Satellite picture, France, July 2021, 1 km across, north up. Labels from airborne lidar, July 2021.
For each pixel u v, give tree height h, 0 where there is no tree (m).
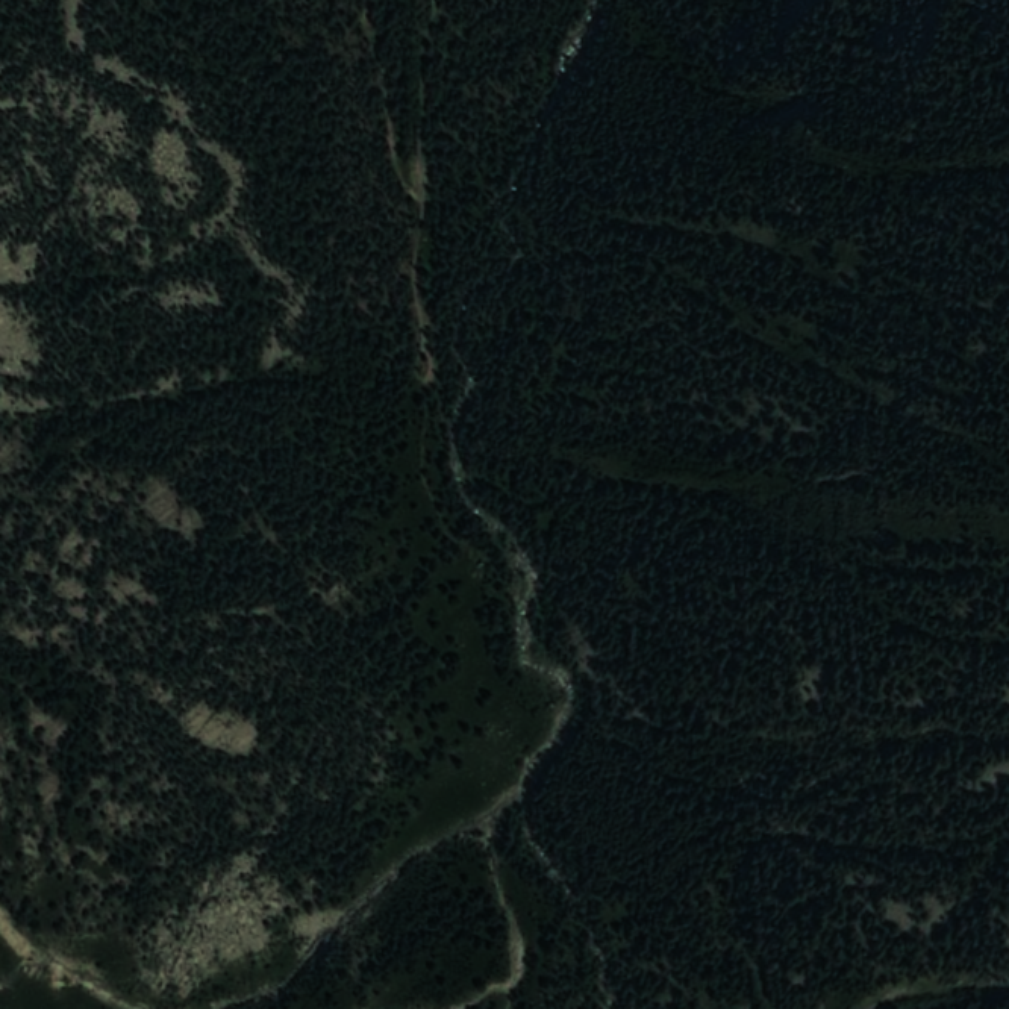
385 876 0
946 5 12
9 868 10
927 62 11
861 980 8
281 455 23
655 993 22
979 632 21
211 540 20
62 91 9
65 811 13
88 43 17
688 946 15
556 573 18
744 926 20
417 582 14
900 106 9
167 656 17
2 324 0
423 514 0
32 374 5
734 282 21
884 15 13
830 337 10
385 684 25
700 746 21
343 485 10
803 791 5
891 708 20
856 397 14
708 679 7
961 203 11
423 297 10
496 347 27
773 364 21
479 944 19
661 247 26
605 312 25
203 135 14
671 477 6
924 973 13
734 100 9
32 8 15
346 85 20
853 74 25
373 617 13
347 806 23
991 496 11
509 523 27
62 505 12
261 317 9
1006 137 10
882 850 14
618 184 23
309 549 20
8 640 9
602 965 7
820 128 12
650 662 16
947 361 25
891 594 22
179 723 13
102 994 0
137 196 14
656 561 10
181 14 25
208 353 30
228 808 17
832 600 17
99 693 15
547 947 23
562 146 27
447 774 0
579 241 23
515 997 14
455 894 7
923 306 13
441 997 6
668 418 12
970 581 26
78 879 12
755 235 0
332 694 16
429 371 0
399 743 12
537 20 26
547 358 21
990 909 18
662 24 7
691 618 20
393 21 24
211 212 25
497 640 13
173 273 15
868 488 16
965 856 10
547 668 0
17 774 13
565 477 31
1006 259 17
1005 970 8
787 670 15
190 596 20
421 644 19
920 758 19
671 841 31
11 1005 0
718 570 18
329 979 12
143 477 20
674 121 16
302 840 24
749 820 33
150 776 11
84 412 13
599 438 18
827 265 20
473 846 8
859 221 21
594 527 33
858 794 8
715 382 27
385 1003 0
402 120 14
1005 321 21
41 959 0
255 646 8
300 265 21
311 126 24
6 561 21
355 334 20
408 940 11
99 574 20
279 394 24
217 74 20
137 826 13
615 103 23
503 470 23
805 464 17
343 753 21
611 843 29
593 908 27
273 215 21
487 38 7
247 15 11
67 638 10
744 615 20
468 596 0
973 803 21
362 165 29
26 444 9
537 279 18
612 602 30
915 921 13
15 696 22
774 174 14
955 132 17
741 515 9
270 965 8
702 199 8
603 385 27
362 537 20
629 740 18
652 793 27
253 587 25
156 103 20
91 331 7
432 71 21
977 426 26
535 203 22
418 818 0
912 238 22
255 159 8
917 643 22
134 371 27
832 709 19
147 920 10
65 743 20
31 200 12
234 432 18
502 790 0
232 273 21
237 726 0
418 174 0
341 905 13
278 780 17
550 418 10
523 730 0
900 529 0
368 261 23
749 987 11
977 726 11
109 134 10
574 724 8
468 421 13
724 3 13
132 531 17
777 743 9
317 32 6
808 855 14
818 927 20
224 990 7
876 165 10
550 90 11
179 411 30
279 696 19
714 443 7
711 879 20
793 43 8
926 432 14
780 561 23
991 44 19
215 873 7
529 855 7
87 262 30
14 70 17
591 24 0
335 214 16
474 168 20
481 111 24
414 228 9
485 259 21
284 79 7
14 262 8
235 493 21
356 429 13
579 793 25
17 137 14
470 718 0
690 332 21
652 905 26
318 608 24
